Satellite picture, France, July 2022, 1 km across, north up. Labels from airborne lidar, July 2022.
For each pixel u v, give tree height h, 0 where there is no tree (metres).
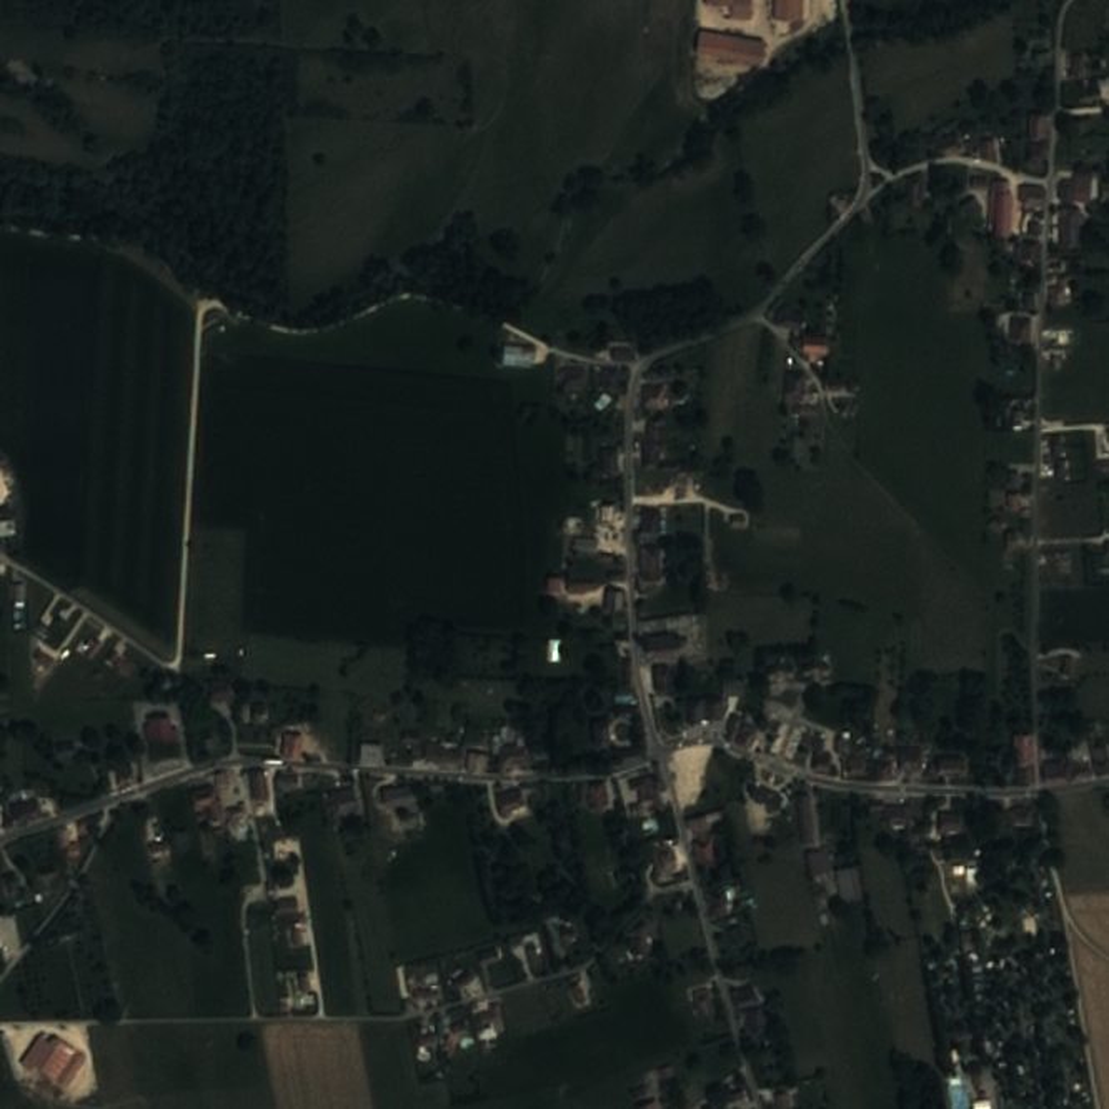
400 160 0
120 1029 0
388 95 0
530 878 18
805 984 0
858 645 0
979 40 0
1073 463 0
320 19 0
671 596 0
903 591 0
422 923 0
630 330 18
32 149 0
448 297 18
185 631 0
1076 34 0
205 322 0
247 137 13
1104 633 0
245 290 10
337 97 0
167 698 9
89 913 6
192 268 26
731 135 16
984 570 0
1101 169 6
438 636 22
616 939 11
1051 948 10
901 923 0
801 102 0
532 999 0
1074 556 0
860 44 16
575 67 0
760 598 0
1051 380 0
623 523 0
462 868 0
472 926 0
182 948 0
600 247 0
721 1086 8
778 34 0
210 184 29
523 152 0
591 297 7
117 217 16
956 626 0
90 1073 0
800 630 0
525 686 18
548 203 0
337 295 15
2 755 7
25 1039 0
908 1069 15
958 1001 13
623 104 0
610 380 0
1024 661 12
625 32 0
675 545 20
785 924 0
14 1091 0
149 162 6
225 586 0
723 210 0
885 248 0
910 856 18
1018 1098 13
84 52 0
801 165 0
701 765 0
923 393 0
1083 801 0
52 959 0
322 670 0
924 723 28
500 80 0
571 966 7
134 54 0
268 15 15
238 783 0
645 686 0
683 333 12
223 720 7
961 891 0
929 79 0
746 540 0
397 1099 0
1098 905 0
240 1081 0
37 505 0
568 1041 0
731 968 19
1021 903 13
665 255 0
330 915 0
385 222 0
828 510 0
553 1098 0
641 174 15
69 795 7
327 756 0
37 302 0
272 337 0
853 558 0
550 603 15
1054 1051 10
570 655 15
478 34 0
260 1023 0
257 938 0
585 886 24
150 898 18
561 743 22
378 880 7
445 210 0
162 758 0
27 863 15
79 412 0
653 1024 0
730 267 0
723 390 0
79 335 0
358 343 0
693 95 0
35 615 0
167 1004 0
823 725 0
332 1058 0
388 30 0
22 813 0
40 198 18
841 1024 0
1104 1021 0
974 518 0
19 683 0
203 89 15
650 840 5
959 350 0
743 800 6
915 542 0
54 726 0
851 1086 0
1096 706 0
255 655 0
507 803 0
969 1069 9
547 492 0
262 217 16
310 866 0
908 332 0
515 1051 0
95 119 0
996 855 16
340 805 0
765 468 0
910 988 0
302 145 0
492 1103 0
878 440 0
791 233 0
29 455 0
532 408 7
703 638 0
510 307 30
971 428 0
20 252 0
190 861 0
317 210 0
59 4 15
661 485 0
